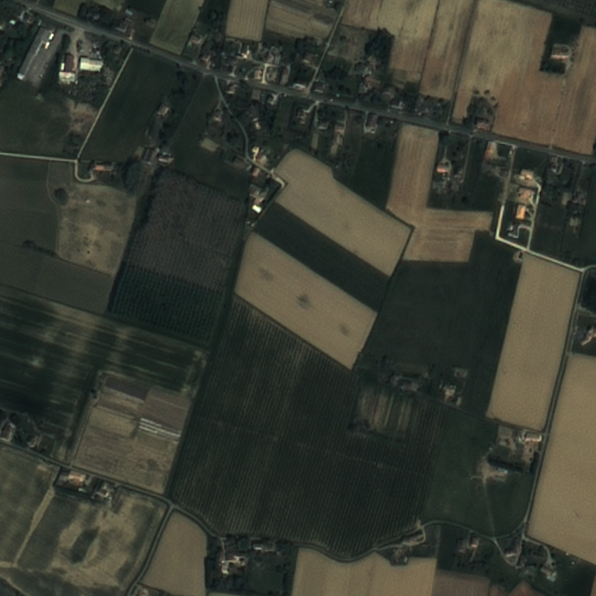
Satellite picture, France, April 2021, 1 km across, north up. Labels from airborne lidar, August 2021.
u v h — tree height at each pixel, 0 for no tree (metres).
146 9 0
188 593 0
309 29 0
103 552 0
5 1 11
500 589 0
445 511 0
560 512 0
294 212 0
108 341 0
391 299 0
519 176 0
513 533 8
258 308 0
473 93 0
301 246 0
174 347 0
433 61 0
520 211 0
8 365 0
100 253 0
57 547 0
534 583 0
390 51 10
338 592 0
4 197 0
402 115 0
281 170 0
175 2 0
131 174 21
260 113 6
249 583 12
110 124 0
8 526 0
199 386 0
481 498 0
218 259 24
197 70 0
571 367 0
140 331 0
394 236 0
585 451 0
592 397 0
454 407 0
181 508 0
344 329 0
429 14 0
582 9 21
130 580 0
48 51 0
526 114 0
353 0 0
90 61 0
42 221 0
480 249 0
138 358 0
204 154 0
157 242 23
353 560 0
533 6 0
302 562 0
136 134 0
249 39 0
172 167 6
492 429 0
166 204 20
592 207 0
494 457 6
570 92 0
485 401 0
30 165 0
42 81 0
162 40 0
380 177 0
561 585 0
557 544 0
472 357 0
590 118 0
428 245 0
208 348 0
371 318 0
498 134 0
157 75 0
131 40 0
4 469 0
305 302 0
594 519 0
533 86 0
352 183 0
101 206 0
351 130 0
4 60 6
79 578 0
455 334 0
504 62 0
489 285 0
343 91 11
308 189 0
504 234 0
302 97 0
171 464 0
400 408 0
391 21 0
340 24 0
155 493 0
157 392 0
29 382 0
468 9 0
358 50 0
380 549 0
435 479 0
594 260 0
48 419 0
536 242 0
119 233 0
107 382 0
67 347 0
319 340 0
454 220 0
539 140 0
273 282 0
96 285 0
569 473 0
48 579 0
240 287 0
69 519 0
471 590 0
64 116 0
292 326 0
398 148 0
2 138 0
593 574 0
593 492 0
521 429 0
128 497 0
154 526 0
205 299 23
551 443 0
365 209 0
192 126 0
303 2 0
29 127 0
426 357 0
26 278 0
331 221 0
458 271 0
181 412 0
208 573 12
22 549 0
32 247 12
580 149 0
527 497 0
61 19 0
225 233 24
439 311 0
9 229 0
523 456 0
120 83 0
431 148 0
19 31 15
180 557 0
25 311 0
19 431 7
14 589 7
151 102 0
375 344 0
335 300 0
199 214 24
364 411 0
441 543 0
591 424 0
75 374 0
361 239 0
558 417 0
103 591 0
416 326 0
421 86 0
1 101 0
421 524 0
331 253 0
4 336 0
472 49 0
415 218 0
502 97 0
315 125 6
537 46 0
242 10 0
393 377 9
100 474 0
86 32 0
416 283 0
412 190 0
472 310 0
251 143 8
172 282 22
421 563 0
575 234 0
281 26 0
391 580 0
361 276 0
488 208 0
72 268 0
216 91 0
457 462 0
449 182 7
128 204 0
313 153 8
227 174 0
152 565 0
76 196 0
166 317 21
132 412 0
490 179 0
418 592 0
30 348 0
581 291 0
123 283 18
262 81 0
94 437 0
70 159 0
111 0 0
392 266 0
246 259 0
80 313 0
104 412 0
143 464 0
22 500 0
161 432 0
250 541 13
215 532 0
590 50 0
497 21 0
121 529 0
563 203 0
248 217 9
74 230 0
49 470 0
